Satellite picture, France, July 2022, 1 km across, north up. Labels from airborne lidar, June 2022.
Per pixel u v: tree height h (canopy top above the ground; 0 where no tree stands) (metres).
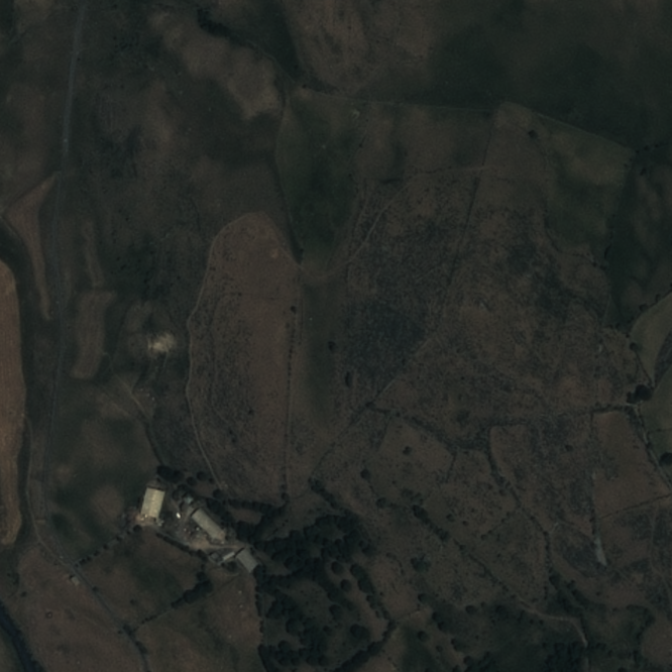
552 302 0
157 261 0
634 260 0
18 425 0
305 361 0
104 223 0
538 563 0
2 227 0
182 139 0
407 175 0
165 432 0
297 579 16
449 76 0
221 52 0
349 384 12
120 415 0
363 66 0
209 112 0
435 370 0
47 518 0
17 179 0
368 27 0
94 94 0
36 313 0
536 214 0
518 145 0
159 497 0
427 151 0
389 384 0
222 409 0
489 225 0
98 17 0
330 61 0
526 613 6
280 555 13
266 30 0
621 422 0
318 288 0
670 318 0
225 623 0
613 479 0
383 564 0
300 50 0
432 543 0
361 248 0
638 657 13
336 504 7
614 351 0
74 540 0
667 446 0
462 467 0
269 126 0
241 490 0
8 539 0
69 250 0
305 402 0
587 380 0
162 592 0
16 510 0
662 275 0
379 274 0
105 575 0
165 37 0
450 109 0
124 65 0
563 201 0
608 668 0
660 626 0
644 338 0
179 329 0
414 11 0
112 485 0
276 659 12
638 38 0
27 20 0
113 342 0
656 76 0
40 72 0
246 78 0
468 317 0
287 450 0
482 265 0
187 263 0
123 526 0
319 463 0
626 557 0
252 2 0
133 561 0
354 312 0
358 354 0
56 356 0
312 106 0
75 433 0
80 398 0
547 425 0
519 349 0
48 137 0
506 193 0
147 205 0
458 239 0
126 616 0
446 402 0
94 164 0
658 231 0
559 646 12
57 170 0
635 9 0
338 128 0
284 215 0
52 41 0
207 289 0
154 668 0
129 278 0
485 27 0
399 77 0
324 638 12
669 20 0
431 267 0
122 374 0
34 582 0
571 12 0
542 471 0
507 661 0
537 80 0
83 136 0
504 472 0
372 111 0
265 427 0
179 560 0
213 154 0
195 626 0
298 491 0
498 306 0
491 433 0
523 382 0
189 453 0
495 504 0
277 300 0
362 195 0
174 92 0
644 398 15
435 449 0
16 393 0
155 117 0
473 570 0
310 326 0
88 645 0
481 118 0
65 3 0
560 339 0
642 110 0
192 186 0
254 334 0
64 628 0
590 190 0
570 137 0
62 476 0
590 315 0
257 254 0
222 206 0
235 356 0
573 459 0
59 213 0
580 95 0
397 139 0
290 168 0
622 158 0
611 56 0
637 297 0
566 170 0
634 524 0
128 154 0
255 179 0
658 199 0
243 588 0
